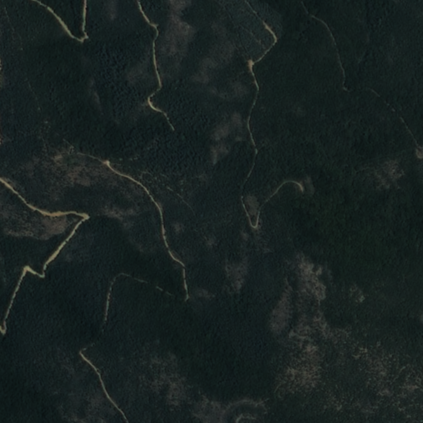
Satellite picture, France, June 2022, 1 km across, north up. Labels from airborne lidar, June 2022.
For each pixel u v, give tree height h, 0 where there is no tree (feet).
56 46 46
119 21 25
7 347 46
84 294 21
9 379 30
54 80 29
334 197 44
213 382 32
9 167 28
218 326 31
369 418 29
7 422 33
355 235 63
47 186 21
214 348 27
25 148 21
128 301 26
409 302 40
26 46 26
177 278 29
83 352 27
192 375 19
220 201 24
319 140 37
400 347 24
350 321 32
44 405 42
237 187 24
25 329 31
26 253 36
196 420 29
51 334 29
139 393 29
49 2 56
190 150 48
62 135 21
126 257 27
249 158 20
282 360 20
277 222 21
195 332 27
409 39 21
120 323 29
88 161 22
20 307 19
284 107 26
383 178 19
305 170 34
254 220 19
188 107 23
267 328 27
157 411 20
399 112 35
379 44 22
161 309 24
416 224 48
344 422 42
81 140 25
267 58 22
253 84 23
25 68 27
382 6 30
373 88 23
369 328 30
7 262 22
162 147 58
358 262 52
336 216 55
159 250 19
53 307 35
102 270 31
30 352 20
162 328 33
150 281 34
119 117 22
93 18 19
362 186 32
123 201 32
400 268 38
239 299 38
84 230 28
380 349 23
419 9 22
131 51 26
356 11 25
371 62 35
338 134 20
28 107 27
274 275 30
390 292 26
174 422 33
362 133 27
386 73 22
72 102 37
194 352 38
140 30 21
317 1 53
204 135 31
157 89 26
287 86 26
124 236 25
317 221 50
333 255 45
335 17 31
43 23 35
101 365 18
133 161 28
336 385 26
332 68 28
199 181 25
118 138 46
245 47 26
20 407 37
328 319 20
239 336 36
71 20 21
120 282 24
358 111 26
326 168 43
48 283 32
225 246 24
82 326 28
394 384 26
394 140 24
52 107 24
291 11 41
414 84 29
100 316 23
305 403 32
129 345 22
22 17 34
